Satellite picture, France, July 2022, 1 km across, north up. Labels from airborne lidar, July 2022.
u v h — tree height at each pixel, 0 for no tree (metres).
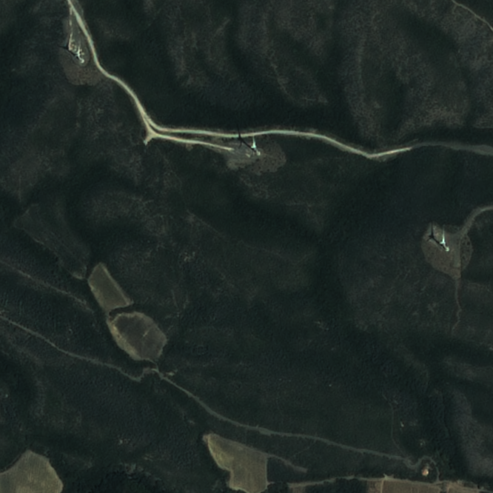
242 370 5
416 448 6
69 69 0
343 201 7
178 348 7
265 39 0
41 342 8
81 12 0
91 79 0
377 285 0
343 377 7
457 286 0
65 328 6
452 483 0
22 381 10
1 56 10
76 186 6
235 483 0
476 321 0
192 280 6
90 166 6
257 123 8
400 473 6
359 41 0
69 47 0
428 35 6
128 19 6
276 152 0
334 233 10
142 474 6
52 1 0
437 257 0
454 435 5
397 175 6
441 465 10
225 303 6
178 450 9
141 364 9
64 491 8
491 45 0
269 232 6
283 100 6
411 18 7
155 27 5
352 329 6
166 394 6
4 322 6
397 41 0
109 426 6
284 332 5
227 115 12
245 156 0
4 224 7
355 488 7
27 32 6
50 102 0
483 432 0
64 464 15
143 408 7
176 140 0
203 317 8
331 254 8
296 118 10
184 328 5
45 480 0
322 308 7
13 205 6
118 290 0
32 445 10
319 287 9
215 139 0
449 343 6
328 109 8
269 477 6
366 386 7
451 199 6
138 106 0
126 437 7
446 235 0
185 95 6
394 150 0
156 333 0
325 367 7
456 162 6
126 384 7
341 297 7
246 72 9
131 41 6
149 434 8
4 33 6
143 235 6
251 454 0
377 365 8
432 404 10
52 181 7
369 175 9
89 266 9
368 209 8
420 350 6
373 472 9
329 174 6
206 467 7
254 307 6
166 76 6
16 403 8
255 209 9
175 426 7
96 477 17
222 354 6
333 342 7
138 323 0
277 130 0
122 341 0
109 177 8
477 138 6
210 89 7
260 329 6
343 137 6
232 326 6
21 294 6
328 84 8
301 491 0
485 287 0
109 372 6
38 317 6
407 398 9
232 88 10
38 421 6
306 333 7
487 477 7
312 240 9
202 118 7
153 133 0
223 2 5
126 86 0
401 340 6
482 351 5
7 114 6
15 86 7
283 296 7
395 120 7
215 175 6
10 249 6
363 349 10
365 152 0
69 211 7
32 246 7
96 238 5
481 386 6
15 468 0
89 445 7
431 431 10
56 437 5
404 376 7
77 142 7
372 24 0
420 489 0
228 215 5
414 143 0
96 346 7
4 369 6
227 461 0
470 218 0
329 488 6
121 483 15
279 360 5
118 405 6
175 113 6
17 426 7
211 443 0
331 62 9
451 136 7
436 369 7
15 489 0
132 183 6
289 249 6
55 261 10
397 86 6
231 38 6
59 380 6
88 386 8
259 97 7
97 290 0
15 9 6
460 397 0
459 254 0
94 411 7
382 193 7
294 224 9
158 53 9
